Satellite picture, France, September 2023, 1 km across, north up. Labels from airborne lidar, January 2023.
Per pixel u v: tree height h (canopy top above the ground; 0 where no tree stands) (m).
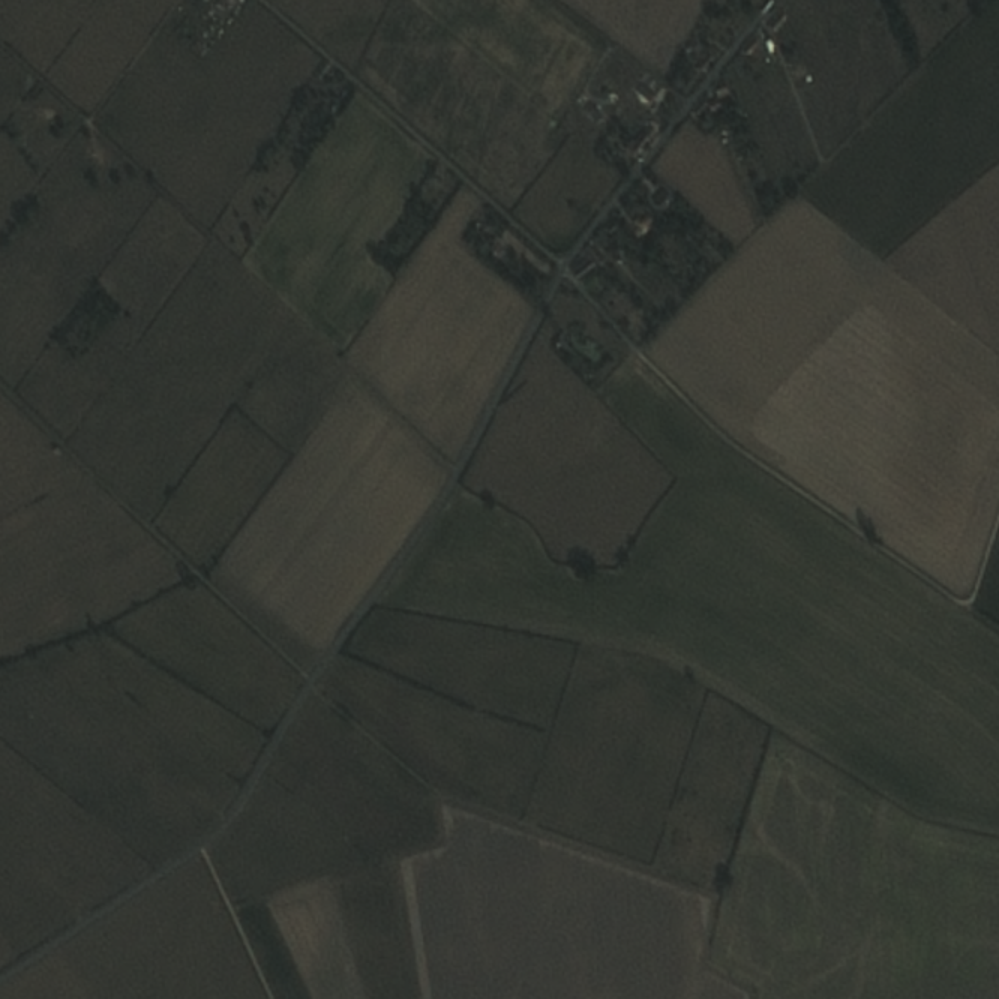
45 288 0
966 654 0
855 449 0
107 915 0
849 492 0
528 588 0
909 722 0
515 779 0
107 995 0
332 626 0
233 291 0
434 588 0
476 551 0
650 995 0
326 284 0
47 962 0
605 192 0
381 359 0
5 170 0
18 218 13
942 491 0
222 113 0
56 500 0
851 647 0
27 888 0
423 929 0
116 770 0
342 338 0
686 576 0
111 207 0
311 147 14
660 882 0
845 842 0
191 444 0
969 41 0
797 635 0
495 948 0
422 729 0
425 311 0
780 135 0
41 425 0
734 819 0
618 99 0
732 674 0
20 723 0
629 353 0
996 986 0
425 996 0
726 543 0
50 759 0
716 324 0
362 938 0
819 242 0
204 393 0
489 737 0
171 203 0
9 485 0
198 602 0
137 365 0
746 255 0
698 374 0
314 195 0
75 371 0
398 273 7
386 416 0
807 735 0
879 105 0
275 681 0
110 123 0
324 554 0
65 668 0
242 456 0
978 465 0
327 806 0
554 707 0
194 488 0
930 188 0
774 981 0
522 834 0
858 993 0
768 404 0
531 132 0
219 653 0
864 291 0
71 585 0
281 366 0
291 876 0
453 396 0
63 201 0
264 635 0
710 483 0
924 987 0
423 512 0
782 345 0
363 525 0
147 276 0
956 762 0
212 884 0
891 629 0
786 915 0
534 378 0
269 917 0
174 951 0
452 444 0
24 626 0
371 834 0
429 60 0
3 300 0
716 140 0
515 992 0
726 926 0
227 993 0
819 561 0
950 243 0
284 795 0
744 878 0
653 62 0
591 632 0
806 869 0
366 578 0
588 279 10
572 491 0
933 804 0
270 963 0
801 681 0
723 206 0
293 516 0
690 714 0
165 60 0
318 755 0
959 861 0
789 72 0
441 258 0
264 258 0
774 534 0
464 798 0
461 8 0
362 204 0
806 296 0
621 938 0
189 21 0
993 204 0
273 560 0
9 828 0
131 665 0
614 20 0
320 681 0
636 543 7
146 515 0
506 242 0
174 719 0
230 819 0
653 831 0
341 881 0
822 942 0
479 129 0
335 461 0
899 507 0
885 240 0
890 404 0
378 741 0
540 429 0
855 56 0
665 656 0
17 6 0
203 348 0
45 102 0
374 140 0
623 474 0
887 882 0
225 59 0
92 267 0
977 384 0
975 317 0
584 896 0
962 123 0
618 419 0
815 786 0
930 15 0
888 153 0
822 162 0
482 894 0
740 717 0
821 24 0
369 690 0
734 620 0
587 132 0
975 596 0
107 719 0
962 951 0
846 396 0
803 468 0
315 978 0
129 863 0
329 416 0
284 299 0
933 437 0
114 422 0
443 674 0
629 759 0
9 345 0
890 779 0
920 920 0
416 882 0
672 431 0
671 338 0
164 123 0
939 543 0
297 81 0
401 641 0
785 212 0
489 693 0
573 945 0
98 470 0
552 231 0
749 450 0
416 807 0
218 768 0
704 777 0
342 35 0
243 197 0
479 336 0
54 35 0
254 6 0
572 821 0
